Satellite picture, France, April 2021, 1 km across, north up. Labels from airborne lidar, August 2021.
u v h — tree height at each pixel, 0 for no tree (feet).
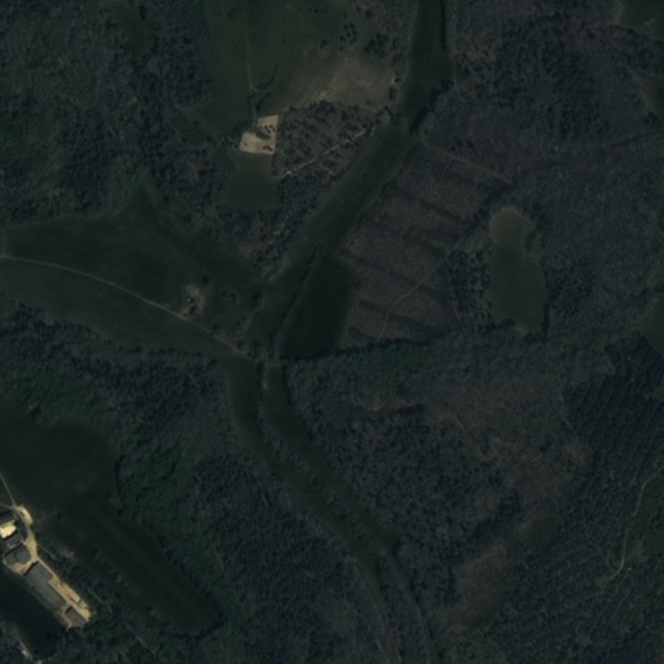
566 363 67
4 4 84
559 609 38
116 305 0
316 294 0
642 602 23
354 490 62
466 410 49
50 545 43
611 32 35
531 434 47
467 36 62
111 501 44
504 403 47
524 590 28
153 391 58
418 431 23
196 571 68
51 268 0
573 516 31
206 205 30
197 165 35
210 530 41
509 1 47
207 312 0
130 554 0
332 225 0
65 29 79
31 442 0
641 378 39
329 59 0
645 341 38
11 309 51
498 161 32
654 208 62
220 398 90
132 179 83
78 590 23
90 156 51
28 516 0
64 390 73
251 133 0
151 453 85
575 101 29
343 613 54
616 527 31
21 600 0
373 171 0
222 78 0
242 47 0
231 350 0
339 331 0
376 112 0
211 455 56
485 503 50
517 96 53
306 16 0
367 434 46
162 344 0
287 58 0
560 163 43
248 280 0
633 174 69
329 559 59
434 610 48
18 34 69
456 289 34
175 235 0
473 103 31
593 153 54
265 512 55
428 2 0
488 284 29
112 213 63
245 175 0
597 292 56
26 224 54
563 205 55
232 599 70
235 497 56
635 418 30
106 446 0
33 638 0
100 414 69
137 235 0
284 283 0
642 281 49
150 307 0
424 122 60
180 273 0
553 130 54
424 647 51
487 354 52
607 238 58
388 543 0
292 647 53
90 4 83
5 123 31
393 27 51
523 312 0
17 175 59
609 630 29
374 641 60
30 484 0
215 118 0
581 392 47
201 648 66
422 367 57
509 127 51
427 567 42
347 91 0
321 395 83
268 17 0
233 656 75
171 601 0
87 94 69
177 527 81
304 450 0
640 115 67
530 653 31
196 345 0
